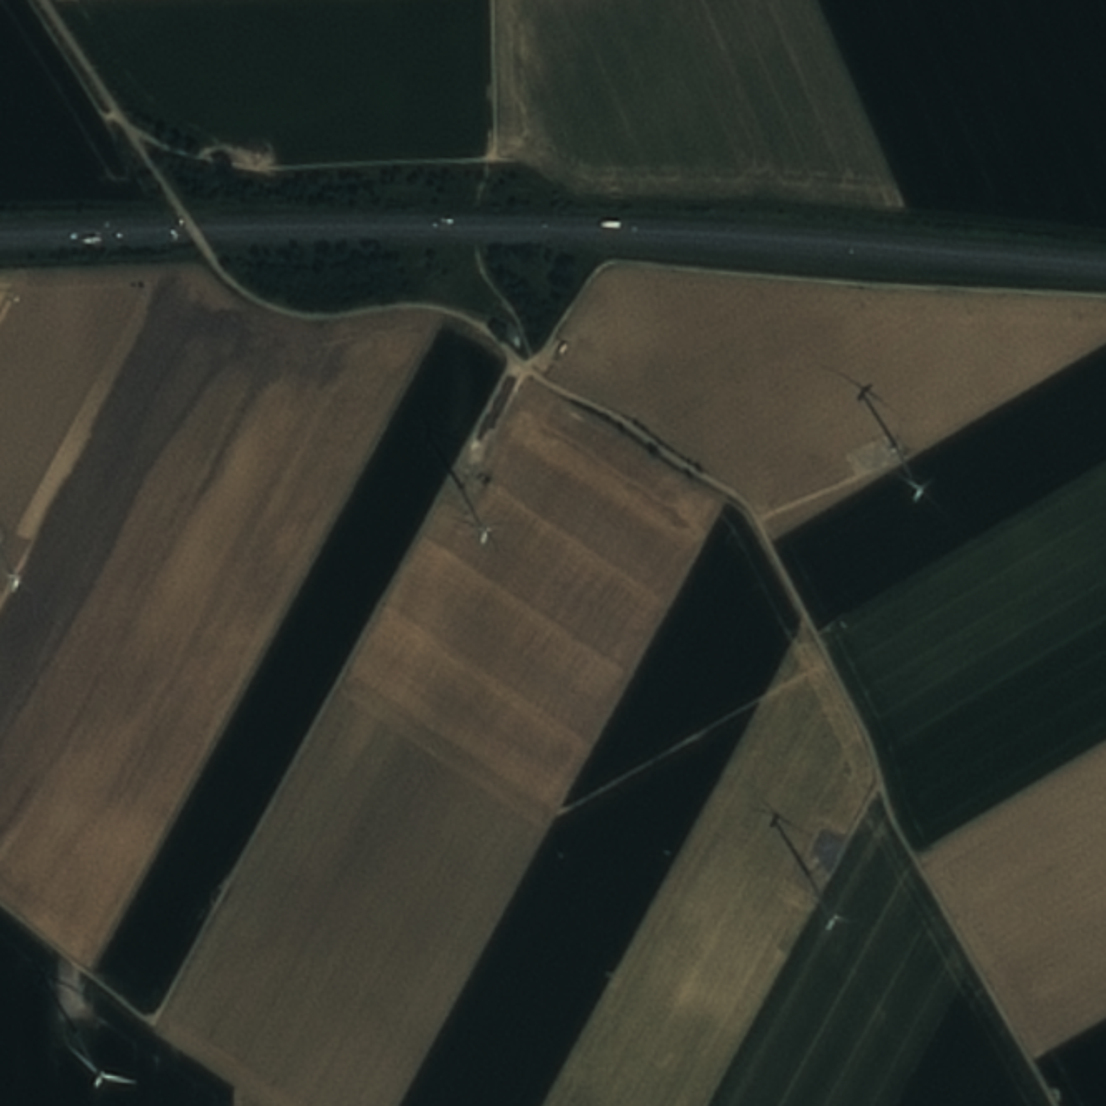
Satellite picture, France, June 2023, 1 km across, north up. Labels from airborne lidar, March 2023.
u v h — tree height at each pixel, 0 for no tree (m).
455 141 0
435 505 0
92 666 0
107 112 0
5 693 0
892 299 0
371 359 0
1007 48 0
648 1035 0
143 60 0
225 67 0
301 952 0
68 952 0
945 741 0
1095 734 0
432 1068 0
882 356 0
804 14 0
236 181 9
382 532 0
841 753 0
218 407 0
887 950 0
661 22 0
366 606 0
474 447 0
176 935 0
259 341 0
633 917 0
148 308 0
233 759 0
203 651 0
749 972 0
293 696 0
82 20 0
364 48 0
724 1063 0
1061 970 0
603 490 0
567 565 0
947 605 0
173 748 0
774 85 0
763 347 0
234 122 0
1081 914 0
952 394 0
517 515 0
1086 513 0
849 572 0
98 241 0
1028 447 0
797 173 0
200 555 0
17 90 0
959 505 0
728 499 0
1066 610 0
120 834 0
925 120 0
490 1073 0
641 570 0
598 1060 0
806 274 0
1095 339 0
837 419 0
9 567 0
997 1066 0
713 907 0
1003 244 0
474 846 0
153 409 0
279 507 0
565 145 0
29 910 0
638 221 0
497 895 0
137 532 0
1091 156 0
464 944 0
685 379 0
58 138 0
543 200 0
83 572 0
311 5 0
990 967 0
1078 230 0
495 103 0
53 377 0
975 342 0
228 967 0
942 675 0
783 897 0
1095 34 0
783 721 0
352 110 0
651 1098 0
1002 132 0
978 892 0
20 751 0
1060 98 0
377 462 0
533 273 0
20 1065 0
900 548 0
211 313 0
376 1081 0
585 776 0
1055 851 0
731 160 0
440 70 0
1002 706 0
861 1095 0
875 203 0
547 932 0
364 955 0
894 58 0
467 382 0
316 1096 0
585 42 0
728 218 0
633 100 0
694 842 0
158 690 0
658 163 0
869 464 0
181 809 0
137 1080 0
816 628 0
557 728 0
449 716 0
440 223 0
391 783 0
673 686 0
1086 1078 0
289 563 0
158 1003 0
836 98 0
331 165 0
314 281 6
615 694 0
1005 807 0
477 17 0
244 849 0
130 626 0
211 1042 0
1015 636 0
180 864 0
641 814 0
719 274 0
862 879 0
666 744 0
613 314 0
